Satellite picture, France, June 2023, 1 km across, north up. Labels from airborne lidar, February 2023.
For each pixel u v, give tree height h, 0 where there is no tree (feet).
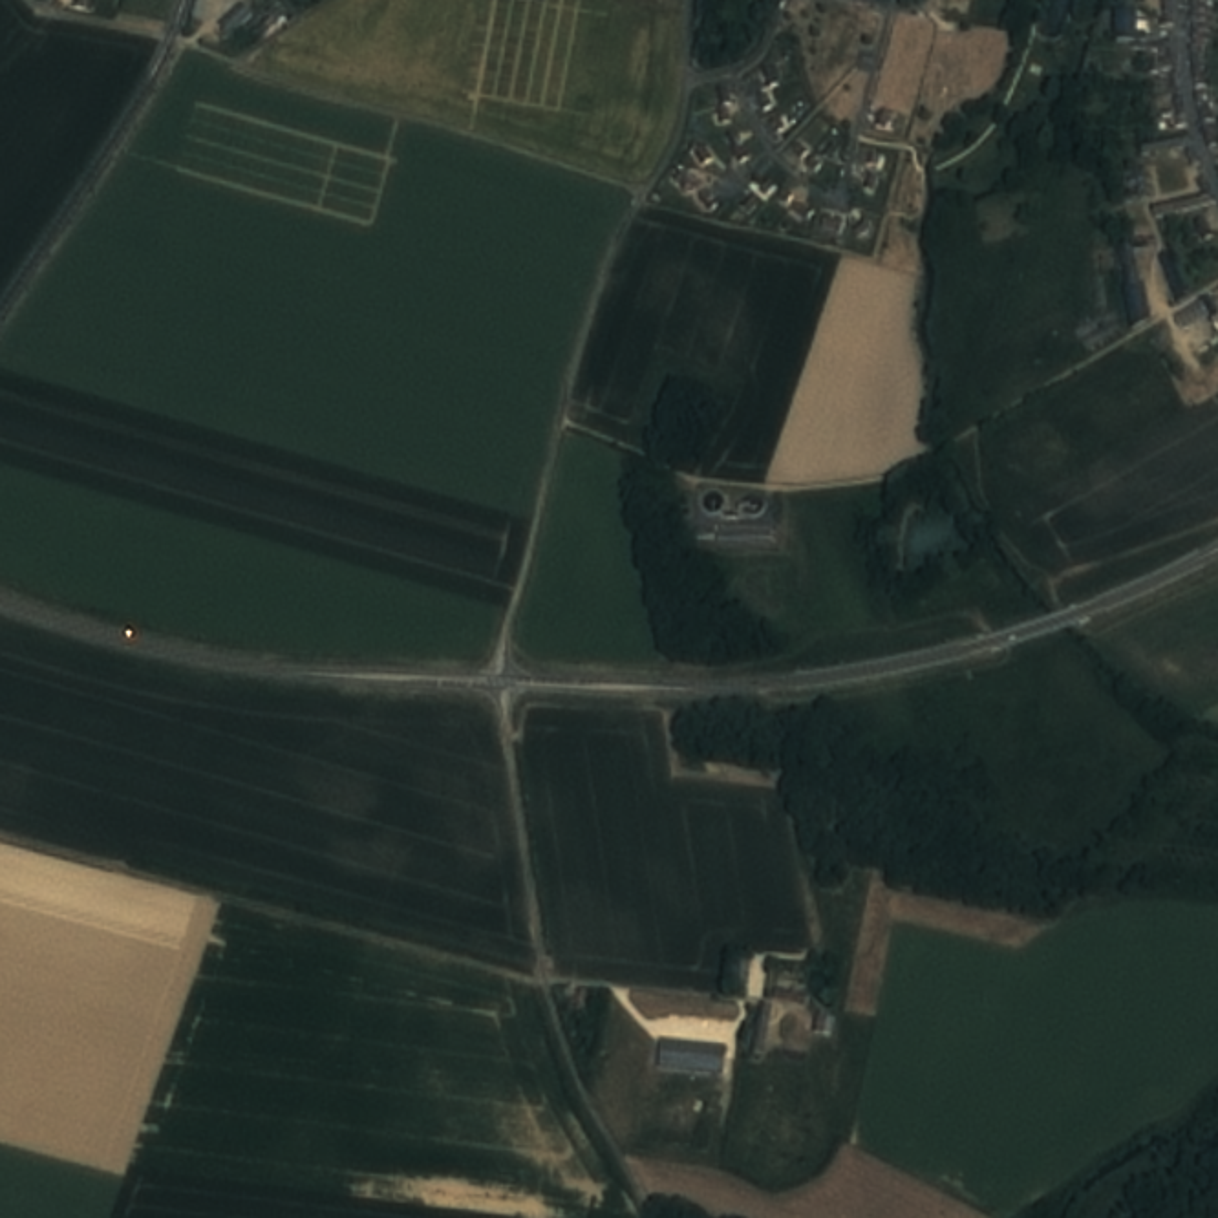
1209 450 0
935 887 57
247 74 0
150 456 0
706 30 32
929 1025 0
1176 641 0
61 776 0
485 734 0
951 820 71
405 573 0
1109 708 0
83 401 0
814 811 54
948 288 0
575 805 0
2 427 0
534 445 0
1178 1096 0
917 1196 0
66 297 0
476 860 0
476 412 0
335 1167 0
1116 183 45
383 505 0
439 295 0
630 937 0
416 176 0
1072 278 0
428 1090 0
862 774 59
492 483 0
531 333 0
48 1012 0
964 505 36
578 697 0
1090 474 0
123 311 0
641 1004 0
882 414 0
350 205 0
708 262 0
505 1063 0
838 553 0
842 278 0
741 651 76
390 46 0
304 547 0
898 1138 0
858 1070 0
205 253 0
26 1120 0
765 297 0
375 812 0
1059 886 60
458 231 0
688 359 0
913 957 0
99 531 0
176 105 0
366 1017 0
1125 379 0
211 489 0
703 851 0
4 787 0
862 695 0
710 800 0
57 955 0
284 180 0
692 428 73
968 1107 0
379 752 0
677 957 0
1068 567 0
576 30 0
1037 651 0
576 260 0
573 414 0
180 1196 0
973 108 48
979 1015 0
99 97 0
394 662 0
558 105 0
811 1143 0
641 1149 0
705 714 61
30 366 0
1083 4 52
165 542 0
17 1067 0
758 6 37
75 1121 0
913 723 0
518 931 0
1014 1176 0
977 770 20
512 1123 0
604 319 0
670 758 0
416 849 0
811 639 0
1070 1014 0
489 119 0
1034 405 31
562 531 0
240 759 0
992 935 0
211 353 0
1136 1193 60
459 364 0
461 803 0
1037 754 0
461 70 0
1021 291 0
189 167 0
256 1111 0
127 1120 0
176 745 0
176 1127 0
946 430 63
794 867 0
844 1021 0
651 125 0
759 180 26
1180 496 0
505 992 0
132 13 0
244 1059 0
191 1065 0
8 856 0
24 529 0
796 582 0
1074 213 0
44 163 0
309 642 0
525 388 0
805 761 61
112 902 0
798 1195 0
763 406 0
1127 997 0
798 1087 0
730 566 0
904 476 44
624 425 0
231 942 0
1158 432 0
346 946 0
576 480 0
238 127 0
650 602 45
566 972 0
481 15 0
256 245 0
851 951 0
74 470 0
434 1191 0
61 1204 0
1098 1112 0
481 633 0
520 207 0
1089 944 0
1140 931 0
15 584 0
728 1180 0
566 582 0
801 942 0
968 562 45
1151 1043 0
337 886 0
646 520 62
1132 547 0
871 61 0
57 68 0
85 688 0
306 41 0
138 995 0
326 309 0
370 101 0
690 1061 0
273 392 0
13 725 0
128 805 0
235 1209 0
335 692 0
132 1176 0
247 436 0
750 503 0
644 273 0
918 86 0
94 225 0
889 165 0
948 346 0
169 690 0
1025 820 0
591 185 0
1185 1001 0
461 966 0
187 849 0
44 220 0
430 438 0
